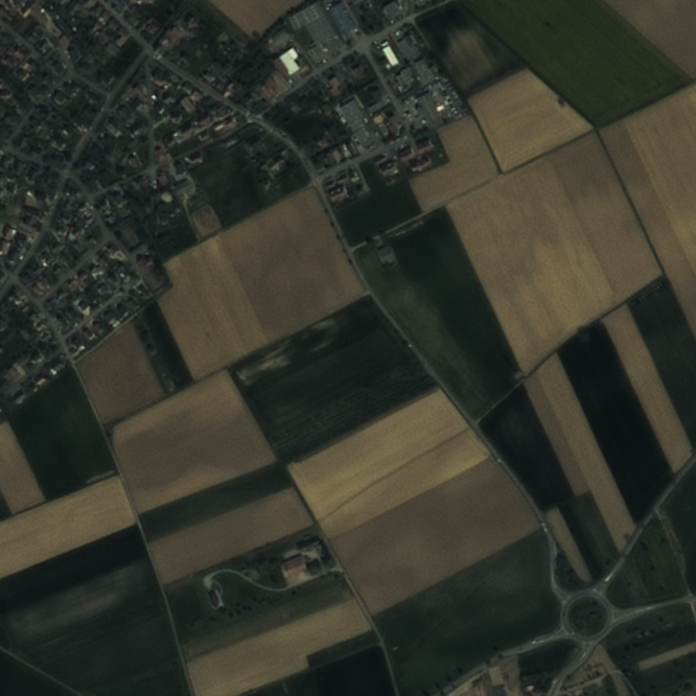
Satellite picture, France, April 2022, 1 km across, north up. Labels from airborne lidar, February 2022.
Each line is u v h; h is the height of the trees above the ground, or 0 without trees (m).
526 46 0
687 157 0
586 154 0
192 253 0
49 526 0
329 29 0
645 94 0
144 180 0
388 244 7
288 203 0
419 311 0
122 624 0
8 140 0
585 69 0
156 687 0
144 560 0
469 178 0
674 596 0
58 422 0
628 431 0
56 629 0
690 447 0
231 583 0
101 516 0
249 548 0
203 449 0
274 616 0
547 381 0
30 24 0
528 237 0
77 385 0
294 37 0
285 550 0
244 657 0
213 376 0
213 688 0
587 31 0
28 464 0
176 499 0
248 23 0
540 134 0
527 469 0
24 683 0
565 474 0
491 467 0
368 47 0
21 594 0
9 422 0
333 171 0
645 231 0
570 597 0
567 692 0
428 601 0
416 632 0
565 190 0
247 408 0
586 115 0
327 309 0
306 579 0
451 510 0
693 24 0
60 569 0
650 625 0
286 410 0
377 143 0
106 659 0
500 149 0
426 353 0
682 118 0
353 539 0
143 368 0
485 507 0
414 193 0
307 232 0
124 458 0
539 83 0
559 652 0
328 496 0
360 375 0
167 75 7
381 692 0
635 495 0
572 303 0
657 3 0
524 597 0
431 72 0
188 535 0
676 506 0
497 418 0
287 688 0
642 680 0
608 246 0
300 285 0
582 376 0
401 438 0
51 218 0
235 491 0
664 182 0
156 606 0
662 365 0
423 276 0
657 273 0
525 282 0
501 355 0
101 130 0
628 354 0
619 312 0
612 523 0
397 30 0
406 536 0
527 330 0
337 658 0
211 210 0
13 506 0
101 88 0
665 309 0
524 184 0
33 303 0
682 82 0
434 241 0
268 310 0
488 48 0
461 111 0
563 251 0
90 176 8
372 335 0
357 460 0
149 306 0
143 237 13
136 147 0
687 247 0
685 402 0
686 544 0
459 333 0
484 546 0
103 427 0
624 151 0
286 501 0
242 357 0
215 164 0
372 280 0
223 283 0
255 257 0
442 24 0
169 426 0
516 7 0
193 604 0
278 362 0
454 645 0
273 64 8
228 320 0
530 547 0
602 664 0
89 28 7
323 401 0
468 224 0
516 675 0
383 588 0
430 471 0
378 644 0
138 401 0
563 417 0
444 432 0
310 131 0
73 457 0
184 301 0
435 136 0
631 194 0
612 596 0
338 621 0
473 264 0
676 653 0
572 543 0
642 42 0
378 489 0
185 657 0
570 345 0
